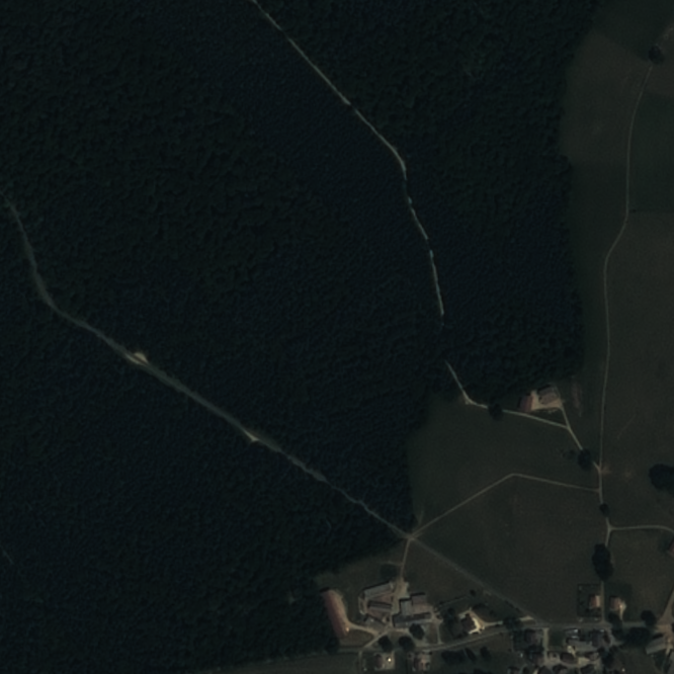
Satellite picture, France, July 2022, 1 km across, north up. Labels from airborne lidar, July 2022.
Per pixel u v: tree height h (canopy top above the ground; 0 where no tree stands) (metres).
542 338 17
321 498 17
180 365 24
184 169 25
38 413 28
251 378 20
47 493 19
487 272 21
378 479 30
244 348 22
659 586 0
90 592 22
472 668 0
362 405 25
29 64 24
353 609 0
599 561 19
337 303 29
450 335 22
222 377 23
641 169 0
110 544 21
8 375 24
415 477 0
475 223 17
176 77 20
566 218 9
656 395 0
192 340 25
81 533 23
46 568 19
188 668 24
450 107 17
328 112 19
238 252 26
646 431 0
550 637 0
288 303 27
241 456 28
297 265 24
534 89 19
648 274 0
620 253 0
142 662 24
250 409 25
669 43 0
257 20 16
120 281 34
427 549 0
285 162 17
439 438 0
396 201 25
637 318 0
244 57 20
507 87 16
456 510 0
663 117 0
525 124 23
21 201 22
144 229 24
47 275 20
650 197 0
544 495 0
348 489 34
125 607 23
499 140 19
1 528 23
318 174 23
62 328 21
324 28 21
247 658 23
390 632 0
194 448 22
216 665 19
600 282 0
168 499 22
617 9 0
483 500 0
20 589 16
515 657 0
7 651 20
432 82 20
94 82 23
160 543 25
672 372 0
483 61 18
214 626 22
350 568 0
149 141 27
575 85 0
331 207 24
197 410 25
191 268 25
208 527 18
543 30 19
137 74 26
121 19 25
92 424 23
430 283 21
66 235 25
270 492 25
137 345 6
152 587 21
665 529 0
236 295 28
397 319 23
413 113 19
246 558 18
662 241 0
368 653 0
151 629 24
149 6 19
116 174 26
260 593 24
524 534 0
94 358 39
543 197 23
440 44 23
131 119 16
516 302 8
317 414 22
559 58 21
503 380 18
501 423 0
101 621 23
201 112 26
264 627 19
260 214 26
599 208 0
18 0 21
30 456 21
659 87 0
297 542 22
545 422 0
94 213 23
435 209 19
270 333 25
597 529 0
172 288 33
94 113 23
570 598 0
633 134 0
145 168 26
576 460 0
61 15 23
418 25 19
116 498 18
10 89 22
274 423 27
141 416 24
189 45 25
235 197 29
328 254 29
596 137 0
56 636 21
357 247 23
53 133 26
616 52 0
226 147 21
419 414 17
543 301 19
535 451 0
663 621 0
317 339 36
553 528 0
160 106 23
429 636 0
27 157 26
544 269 24
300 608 12
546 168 23
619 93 0
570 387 0
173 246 27
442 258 22
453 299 22
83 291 21
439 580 0
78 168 20
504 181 24
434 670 0
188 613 21
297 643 18
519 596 0
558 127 17
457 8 23
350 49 26
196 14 21
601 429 0
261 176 26
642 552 0
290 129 20
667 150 0
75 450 26
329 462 28
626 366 0
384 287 35
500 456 0
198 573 21
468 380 18
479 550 0
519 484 0
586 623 0
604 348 0
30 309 25
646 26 0
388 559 0
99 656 25
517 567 0
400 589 0
